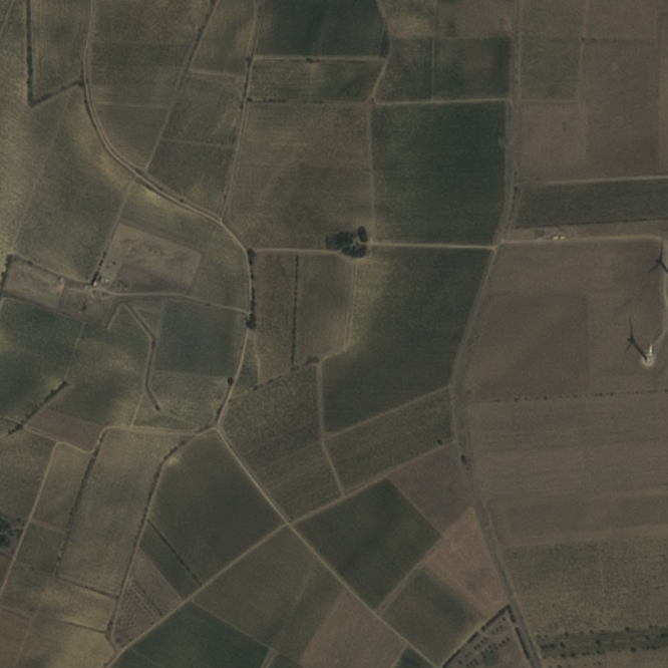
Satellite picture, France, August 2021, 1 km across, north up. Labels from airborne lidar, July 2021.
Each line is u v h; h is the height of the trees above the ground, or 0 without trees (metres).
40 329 0
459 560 0
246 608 0
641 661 0
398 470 0
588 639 0
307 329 0
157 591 0
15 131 0
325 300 0
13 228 0
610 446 0
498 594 0
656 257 0
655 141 0
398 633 0
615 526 0
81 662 0
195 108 0
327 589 0
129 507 0
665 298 0
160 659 0
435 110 0
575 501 0
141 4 0
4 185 0
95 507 0
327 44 0
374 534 0
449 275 0
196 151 0
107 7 0
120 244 0
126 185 0
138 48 0
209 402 0
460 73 0
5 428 0
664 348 0
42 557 0
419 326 0
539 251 0
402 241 0
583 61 0
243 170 0
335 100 0
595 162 0
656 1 0
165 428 0
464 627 0
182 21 0
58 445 0
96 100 0
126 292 0
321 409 0
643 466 0
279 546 0
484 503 0
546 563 0
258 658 0
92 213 0
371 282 0
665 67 0
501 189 0
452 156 0
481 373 0
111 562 0
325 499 0
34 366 0
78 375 0
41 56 0
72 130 0
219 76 0
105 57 0
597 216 0
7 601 0
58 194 0
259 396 0
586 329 0
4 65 0
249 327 8
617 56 0
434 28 0
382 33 0
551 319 0
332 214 0
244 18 0
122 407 0
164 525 0
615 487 0
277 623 0
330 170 0
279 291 0
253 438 0
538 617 0
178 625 0
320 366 0
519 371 0
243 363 0
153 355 0
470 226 0
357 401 0
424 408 0
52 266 0
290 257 0
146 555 0
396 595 0
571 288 0
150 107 0
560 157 0
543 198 0
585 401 0
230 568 0
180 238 0
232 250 0
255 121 0
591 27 0
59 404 0
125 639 0
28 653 0
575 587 0
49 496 0
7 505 0
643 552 0
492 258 0
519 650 0
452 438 0
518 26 0
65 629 0
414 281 0
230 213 0
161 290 0
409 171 0
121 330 0
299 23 0
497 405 0
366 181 0
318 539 0
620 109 0
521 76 0
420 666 0
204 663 0
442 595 0
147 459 0
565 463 0
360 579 0
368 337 0
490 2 0
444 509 0
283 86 0
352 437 0
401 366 0
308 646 0
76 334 0
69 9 0
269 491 0
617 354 0
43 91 0
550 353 0
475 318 0
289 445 0
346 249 6
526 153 0
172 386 0
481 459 0
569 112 0
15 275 0
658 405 0
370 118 0
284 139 0
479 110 0
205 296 0
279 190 0
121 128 0
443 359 0
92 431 0
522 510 0
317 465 0
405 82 0
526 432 0
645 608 0
